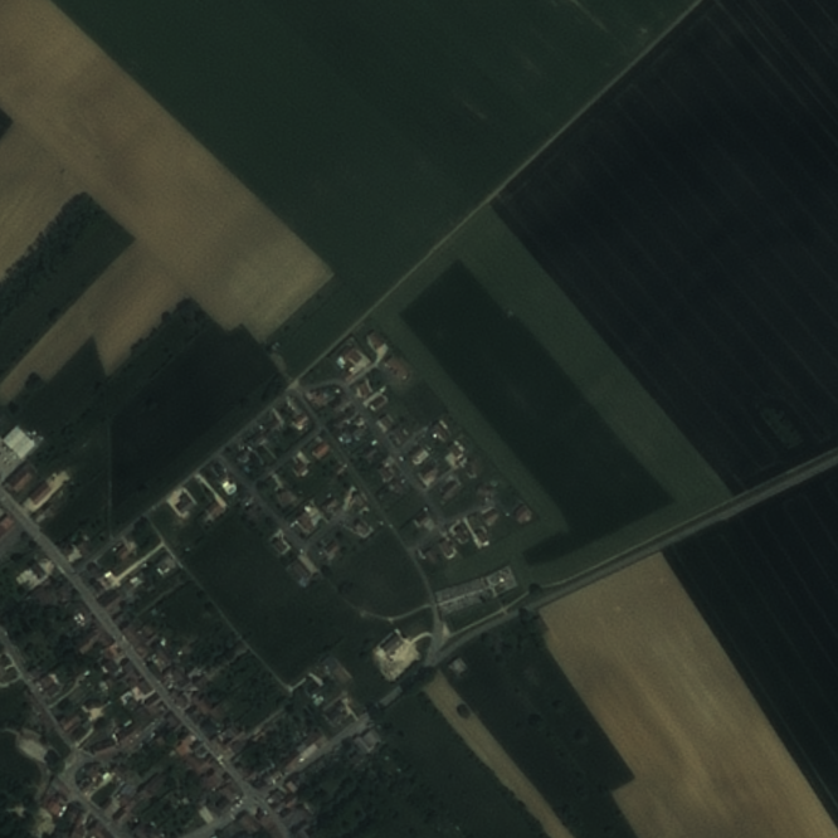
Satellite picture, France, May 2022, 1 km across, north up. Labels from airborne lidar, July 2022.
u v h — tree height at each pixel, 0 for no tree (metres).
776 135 0
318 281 0
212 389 0
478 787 0
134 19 0
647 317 0
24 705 6
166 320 12
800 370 0
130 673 0
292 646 0
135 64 0
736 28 0
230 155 0
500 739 0
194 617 0
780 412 7
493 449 0
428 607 0
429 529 0
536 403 0
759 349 0
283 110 0
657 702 0
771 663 0
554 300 0
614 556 0
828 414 0
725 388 0
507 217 0
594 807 0
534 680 0
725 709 0
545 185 0
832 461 0
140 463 0
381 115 0
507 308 0
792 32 0
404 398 0
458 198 0
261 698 6
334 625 5
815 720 0
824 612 0
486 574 0
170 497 0
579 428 0
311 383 0
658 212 0
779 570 0
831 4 0
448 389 0
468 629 0
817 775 0
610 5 0
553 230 0
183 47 0
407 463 0
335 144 0
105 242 0
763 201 0
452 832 0
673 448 0
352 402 0
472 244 0
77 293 0
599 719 0
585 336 0
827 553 0
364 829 18
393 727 13
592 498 0
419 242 0
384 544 0
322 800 14
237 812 0
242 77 0
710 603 0
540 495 0
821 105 0
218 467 10
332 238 0
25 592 9
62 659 13
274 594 0
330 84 0
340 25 0
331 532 0
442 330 0
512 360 0
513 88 0
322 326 0
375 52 0
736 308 0
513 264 0
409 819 0
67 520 0
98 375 0
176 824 6
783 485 0
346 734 0
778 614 0
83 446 0
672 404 0
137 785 0
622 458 0
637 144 0
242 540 0
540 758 0
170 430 0
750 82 0
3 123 0
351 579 0
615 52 0
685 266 0
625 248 0
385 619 0
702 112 0
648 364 0
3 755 0
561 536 0
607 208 0
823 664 0
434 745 0
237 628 0
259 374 0
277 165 0
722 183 0
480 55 0
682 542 0
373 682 0
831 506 0
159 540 0
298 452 0
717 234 0
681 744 0
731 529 0
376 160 0
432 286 0
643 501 0
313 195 0
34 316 0
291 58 0
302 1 0
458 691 0
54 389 0
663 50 0
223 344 0
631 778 0
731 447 0
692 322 0
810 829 0
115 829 0
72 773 0
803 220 0
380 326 0
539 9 0
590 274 0
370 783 12
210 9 0
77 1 0
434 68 0
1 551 0
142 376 0
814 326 0
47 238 14
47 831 0
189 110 0
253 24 0
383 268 0
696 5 0
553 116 0
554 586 0
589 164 0
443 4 0
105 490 0
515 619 0
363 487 0
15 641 14
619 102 0
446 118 0
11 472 0
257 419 0
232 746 0
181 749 0
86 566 0
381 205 0
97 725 13
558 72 0
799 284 0
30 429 0
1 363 0
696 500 0
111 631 0
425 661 0
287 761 0
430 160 0
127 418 0
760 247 0
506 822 0
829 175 0
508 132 0
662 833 0
